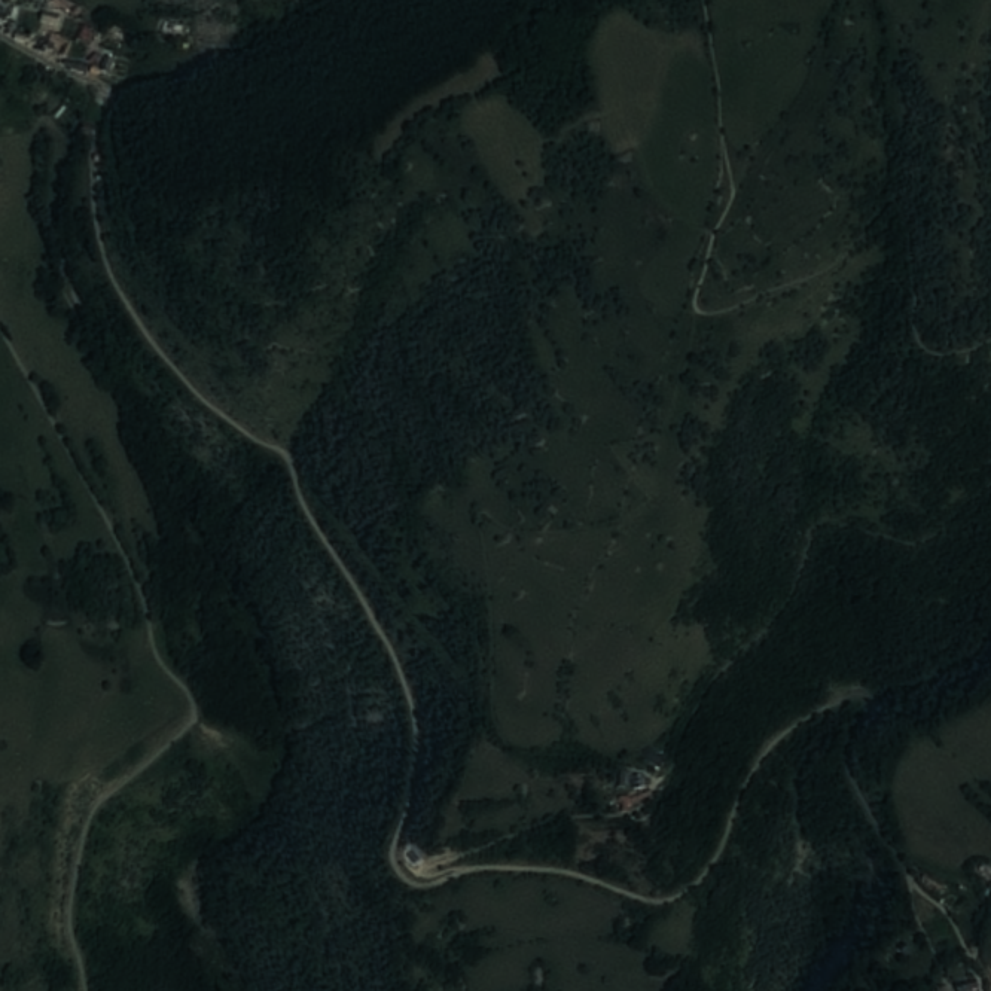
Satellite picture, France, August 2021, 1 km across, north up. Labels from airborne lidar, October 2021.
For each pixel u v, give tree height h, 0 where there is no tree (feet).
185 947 73
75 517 28
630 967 0
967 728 0
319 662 24
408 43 56
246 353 27
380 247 30
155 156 62
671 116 0
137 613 26
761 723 40
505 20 61
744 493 32
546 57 44
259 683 114
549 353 0
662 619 0
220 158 60
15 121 0
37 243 0
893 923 55
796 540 18
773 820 49
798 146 0
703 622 37
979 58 0
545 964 42
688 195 0
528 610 0
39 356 0
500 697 0
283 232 41
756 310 0
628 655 0
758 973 25
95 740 0
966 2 0
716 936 31
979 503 31
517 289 32
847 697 0
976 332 28
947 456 31
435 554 0
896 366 22
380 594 26
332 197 31
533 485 24
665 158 0
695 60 0
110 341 46
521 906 0
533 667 20
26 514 0
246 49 63
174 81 62
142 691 0
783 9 0
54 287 63
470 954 50
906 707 44
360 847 20
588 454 0
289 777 53
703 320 0
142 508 0
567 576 0
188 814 34
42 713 0
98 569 24
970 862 30
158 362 30
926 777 0
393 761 68
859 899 28
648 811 28
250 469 29
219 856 63
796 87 0
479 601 22
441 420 48
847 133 0
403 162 19
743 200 0
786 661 48
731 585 24
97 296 19
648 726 0
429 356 40
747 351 0
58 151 0
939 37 0
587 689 0
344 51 63
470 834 25
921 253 31
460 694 33
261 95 70
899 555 29
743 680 42
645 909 31
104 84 0
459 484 27
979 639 101
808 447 29
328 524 28
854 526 32
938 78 0
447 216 0
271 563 42
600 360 0
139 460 73
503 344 28
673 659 0
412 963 27
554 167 21
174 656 32
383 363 37
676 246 0
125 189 28
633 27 0
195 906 0
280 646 25
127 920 26
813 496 33
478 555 0
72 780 0
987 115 32
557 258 26
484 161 0
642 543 0
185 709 0
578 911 0
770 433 33
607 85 0
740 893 35
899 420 29
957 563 59
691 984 41
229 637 103
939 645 62
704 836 47
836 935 51
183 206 20
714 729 51
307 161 45
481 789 0
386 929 33
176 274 27
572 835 59
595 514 0
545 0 33
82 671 0
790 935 36
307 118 62
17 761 0
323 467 38
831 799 38
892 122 30
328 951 31
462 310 31
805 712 31
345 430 29
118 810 22
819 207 0
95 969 29
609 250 0
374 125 45
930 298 30
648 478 0
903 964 48
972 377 29
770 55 0
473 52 56
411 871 0
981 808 34
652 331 0
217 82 78
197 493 40
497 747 24
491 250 32
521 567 0
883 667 79
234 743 0
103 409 0
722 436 19
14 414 0
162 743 0
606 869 36
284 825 40
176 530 74
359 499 47
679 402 0
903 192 41
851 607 66
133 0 0
